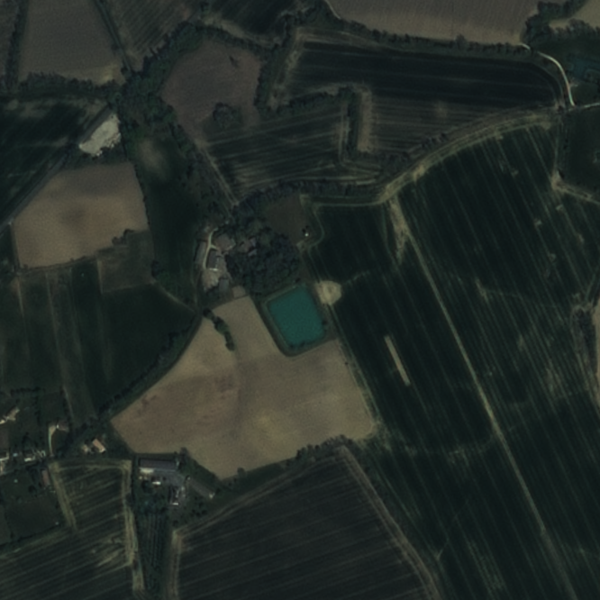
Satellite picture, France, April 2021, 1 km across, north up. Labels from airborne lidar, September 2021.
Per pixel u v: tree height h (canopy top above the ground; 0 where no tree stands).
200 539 0
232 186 0
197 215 0
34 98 0
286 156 0
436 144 15
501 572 0
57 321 0
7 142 0
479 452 0
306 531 0
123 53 15
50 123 0
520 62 0
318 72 0
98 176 0
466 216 0
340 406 0
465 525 0
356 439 0
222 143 0
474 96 0
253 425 0
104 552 0
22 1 17
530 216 0
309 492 0
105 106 0
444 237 0
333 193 18
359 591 0
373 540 0
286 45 11
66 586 0
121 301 0
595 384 0
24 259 0
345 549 0
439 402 0
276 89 0
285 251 28
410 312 0
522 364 0
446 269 0
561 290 0
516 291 0
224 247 0
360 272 0
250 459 0
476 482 0
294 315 0
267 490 0
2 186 0
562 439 0
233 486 8
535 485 0
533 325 0
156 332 0
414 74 0
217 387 0
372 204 0
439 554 0
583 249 0
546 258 0
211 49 0
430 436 0
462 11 0
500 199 0
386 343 0
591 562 0
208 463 0
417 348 0
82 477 0
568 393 0
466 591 0
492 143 0
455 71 0
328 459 0
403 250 0
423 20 0
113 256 0
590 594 0
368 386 0
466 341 0
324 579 0
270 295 0
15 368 0
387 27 0
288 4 0
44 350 0
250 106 0
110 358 0
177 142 17
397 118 0
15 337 0
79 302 0
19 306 0
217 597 0
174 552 0
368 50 0
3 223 0
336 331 0
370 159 13
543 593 0
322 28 0
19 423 9
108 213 0
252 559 0
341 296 0
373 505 0
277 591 0
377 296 0
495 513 0
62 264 0
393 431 0
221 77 0
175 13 0
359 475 0
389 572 0
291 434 0
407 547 0
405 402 0
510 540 0
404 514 0
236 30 0
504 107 0
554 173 0
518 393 0
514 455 0
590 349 15
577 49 0
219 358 0
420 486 0
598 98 7
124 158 17
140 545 8
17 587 0
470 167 0
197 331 0
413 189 0
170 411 0
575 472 0
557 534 0
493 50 11
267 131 0
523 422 0
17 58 10
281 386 0
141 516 13
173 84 0
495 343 0
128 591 0
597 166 0
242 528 0
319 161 0
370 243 0
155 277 12
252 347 0
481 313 0
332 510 0
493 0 0
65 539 0
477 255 0
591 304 0
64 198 0
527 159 0
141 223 0
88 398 0
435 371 0
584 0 13
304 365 0
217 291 9
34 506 0
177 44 22
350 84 0
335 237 0
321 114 0
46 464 10
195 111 0
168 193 0
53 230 0
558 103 0
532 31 23
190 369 0
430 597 0
